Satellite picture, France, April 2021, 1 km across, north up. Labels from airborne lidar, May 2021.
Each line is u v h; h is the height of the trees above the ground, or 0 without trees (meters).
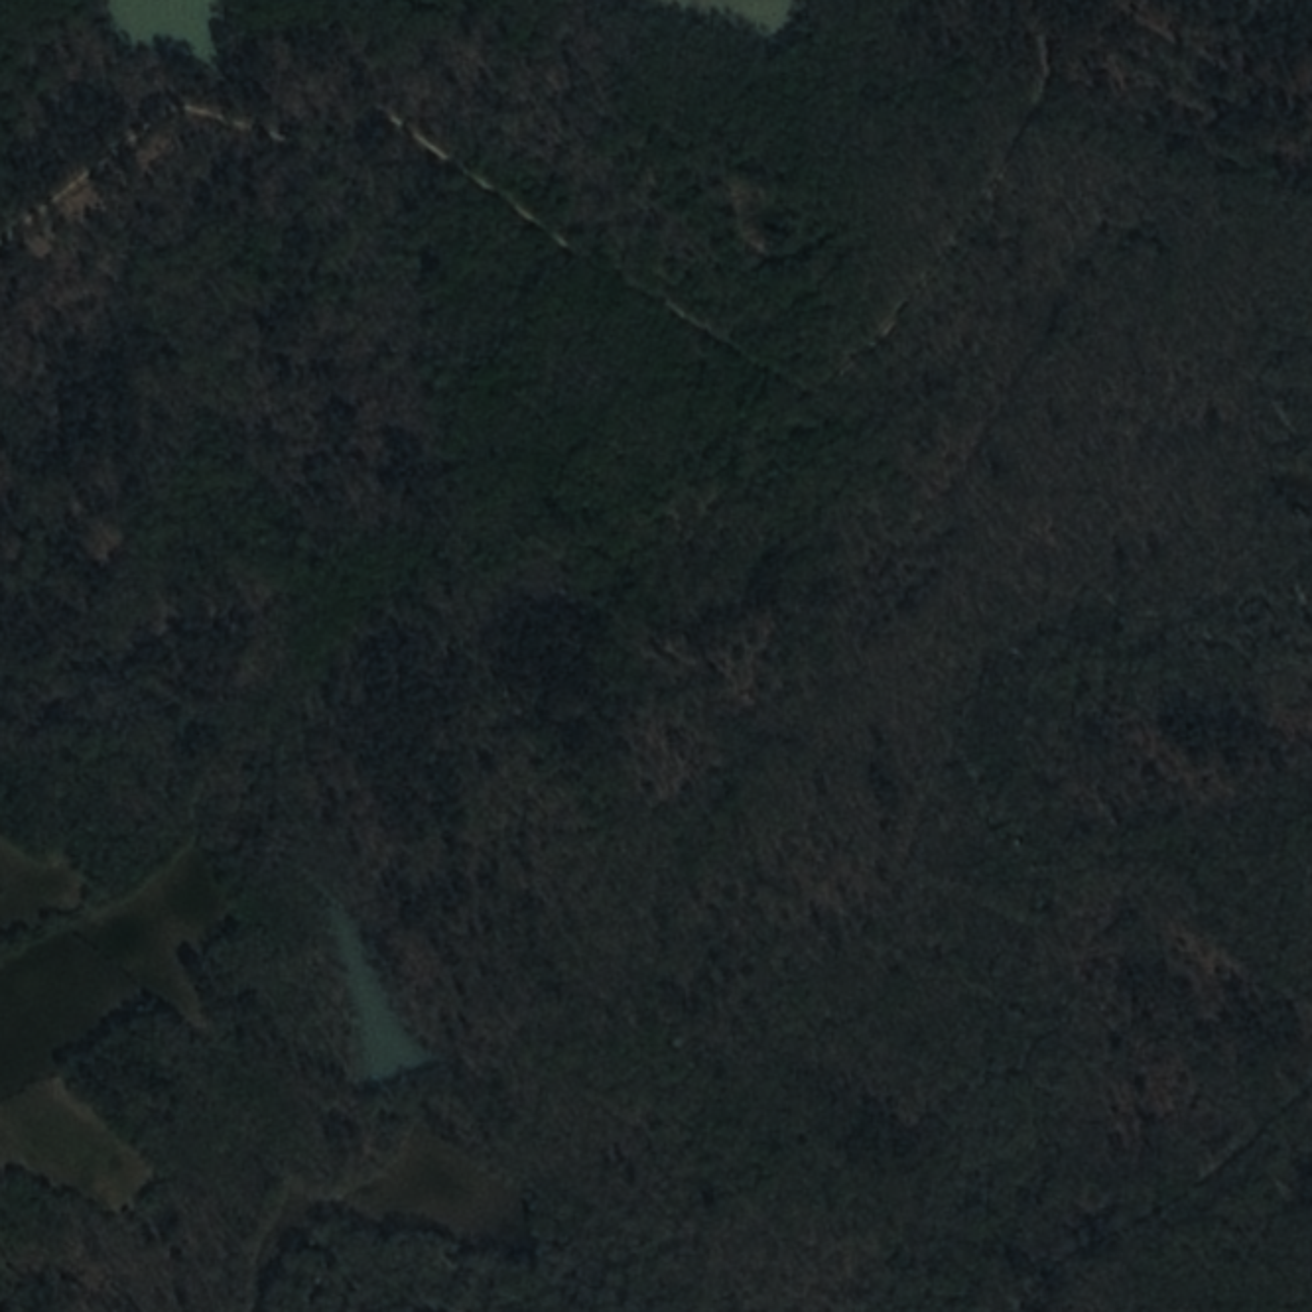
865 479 21
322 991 17
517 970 17
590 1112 13
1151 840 22
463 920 17
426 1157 0
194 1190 15
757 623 9
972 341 8
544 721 15
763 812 15
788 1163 21
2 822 13
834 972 13
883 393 12
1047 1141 16
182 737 17
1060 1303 24
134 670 21
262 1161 18
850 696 15
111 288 14
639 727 15
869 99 17
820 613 15
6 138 17
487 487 16
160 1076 22
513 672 13
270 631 15
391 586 14
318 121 18
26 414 18
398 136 24
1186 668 21
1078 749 12
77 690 16
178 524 23
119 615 21
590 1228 19
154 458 14
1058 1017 13
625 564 9
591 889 16
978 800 20
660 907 13
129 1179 0
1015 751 16
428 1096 17
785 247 11
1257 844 19
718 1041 18
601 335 16
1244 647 22
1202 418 13
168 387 13
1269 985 16
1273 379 20
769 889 18
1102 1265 18
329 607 19
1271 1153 13
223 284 16
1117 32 11
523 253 14
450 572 26
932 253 15
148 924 0
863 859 11
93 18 16
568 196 11
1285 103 17
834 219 12
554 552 15
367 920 11
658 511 11
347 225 12
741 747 15
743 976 18
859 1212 16
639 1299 26
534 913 18
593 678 14
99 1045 16
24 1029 0
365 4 30
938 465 10
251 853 12
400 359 17
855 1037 17
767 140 24
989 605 16
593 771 14
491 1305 17
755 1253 14
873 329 18
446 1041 10
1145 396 16
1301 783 13
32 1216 17
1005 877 17
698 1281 20
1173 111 13
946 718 19
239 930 17
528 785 15
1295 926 20
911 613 18
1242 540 16
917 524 10
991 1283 16
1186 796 11
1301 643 8
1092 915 8
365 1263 21
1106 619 13
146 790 20
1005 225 15
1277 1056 15
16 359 11
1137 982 18
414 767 24
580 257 13
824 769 15
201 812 11
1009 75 17
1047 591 14
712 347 20
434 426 17
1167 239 20
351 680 21
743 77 20
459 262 17
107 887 20
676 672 11
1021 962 18
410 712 25
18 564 10
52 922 14
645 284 15
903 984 15
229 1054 19
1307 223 25
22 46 19
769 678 10
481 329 14
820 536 13
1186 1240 21
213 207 24
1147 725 9
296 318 22
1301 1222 20
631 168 16
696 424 16
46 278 8
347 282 12
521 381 15
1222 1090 16
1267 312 20
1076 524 13
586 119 14
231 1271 15
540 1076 15
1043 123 20
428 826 17
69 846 12
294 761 20
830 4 18
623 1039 23
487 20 26
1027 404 16
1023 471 15
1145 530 13
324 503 13
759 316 11
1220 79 21
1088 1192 15
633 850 17
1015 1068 14
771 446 15
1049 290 10
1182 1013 12
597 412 16
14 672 16
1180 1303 13
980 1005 16
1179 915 15
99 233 11
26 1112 0
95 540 18
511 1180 18
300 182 16
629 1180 12
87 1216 17
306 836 17
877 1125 25
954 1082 24
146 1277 12
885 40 19
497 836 13
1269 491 15
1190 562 16
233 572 18
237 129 16
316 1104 12
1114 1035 10
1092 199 16
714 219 12
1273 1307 18
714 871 12
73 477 22
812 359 13
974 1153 22
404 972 15
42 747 14
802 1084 21
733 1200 19
